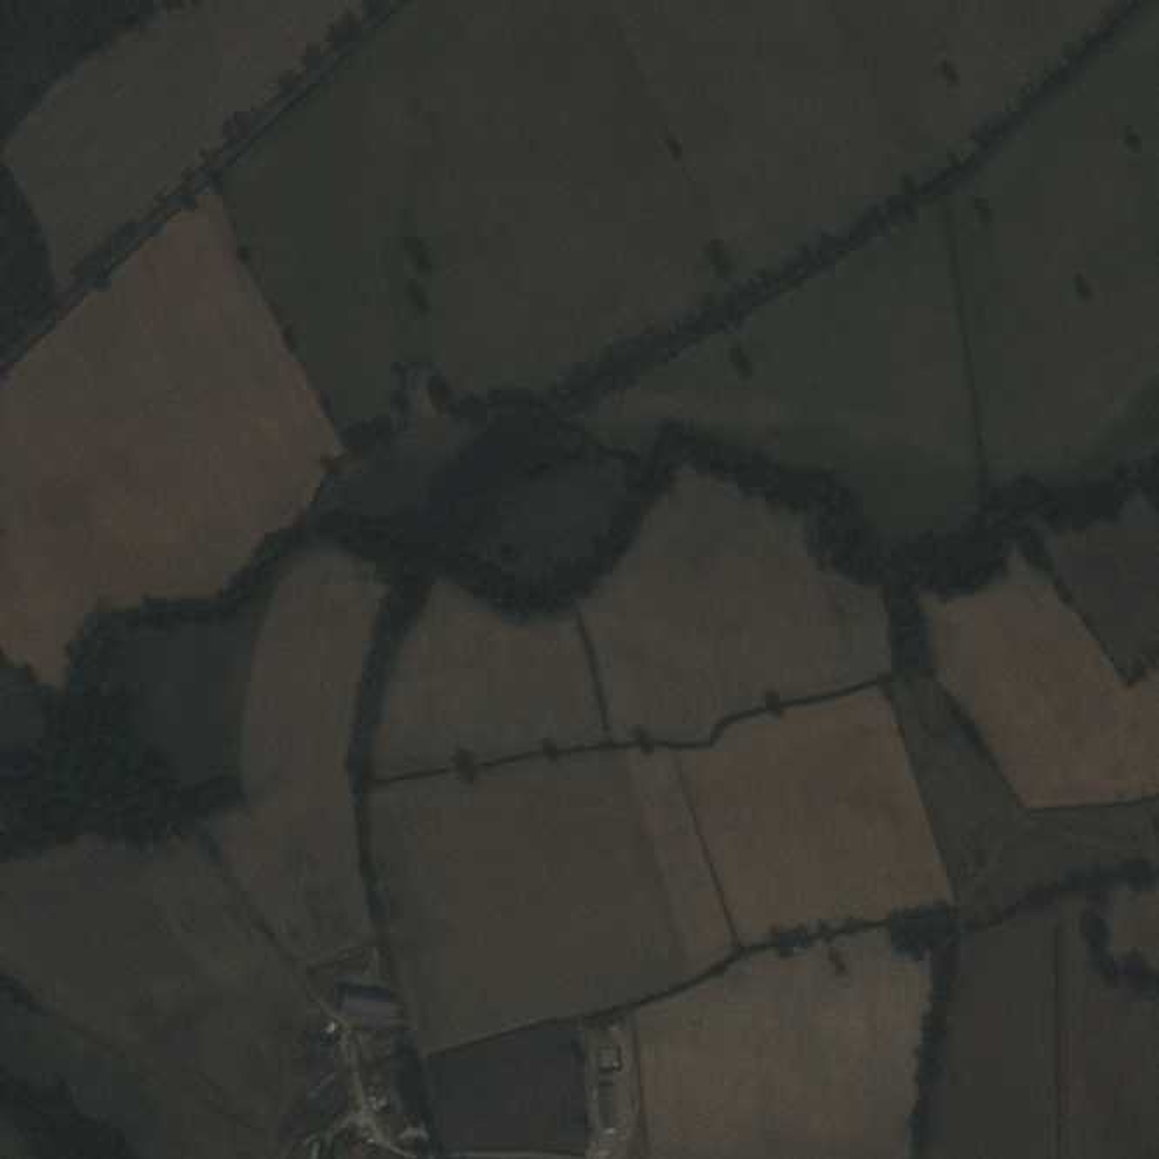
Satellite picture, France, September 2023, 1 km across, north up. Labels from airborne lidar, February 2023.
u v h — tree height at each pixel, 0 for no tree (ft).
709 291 0
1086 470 0
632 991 0
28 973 0
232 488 0
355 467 0
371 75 0
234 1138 0
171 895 0
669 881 0
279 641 0
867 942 0
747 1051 0
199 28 0
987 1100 0
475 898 0
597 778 0
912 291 0
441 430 0
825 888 0
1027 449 0
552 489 0
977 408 0
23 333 38
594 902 0
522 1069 0
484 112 0
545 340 0
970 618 0
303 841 0
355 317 0
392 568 0
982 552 53
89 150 0
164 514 0
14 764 49
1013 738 0
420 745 0
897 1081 0
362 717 39
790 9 0
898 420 0
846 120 0
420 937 0
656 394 0
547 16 0
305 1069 0
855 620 0
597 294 0
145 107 0
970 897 0
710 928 0
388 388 0
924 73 0
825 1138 0
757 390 0
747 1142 0
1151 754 0
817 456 0
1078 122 0
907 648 53
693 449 43
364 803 34
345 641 0
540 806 0
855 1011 0
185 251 0
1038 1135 0
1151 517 0
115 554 0
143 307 0
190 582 0
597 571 44
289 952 0
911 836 0
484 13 0
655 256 0
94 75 0
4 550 0
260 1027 0
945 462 0
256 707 0
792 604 0
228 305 0
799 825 0
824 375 0
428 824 0
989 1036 0
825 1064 0
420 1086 46
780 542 0
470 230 0
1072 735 0
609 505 0
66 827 41
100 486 0
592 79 0
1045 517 33
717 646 0
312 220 0
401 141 0
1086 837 0
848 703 0
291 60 0
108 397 0
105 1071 0
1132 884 55
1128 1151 0
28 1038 0
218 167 0
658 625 0
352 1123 0
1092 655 0
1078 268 0
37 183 0
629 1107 0
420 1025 0
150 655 0
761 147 0
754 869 0
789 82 0
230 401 0
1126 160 0
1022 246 0
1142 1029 0
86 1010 0
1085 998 0
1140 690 0
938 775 0
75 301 0
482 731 0
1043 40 0
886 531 0
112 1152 37
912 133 0
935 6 0
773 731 0
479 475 79
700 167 0
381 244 0
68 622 0
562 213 0
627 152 0
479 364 0
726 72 0
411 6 0
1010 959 0
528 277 0
